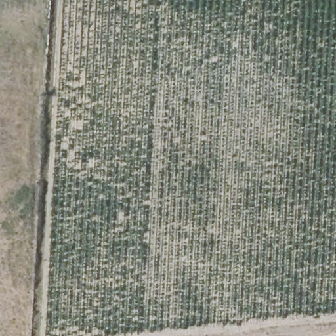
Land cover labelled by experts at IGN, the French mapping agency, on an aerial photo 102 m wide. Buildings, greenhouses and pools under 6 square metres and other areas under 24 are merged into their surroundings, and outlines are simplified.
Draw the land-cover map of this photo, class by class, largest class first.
<instances>
[{"label":"vineyard","instance_id":"1","mask_svg":"<svg viewBox=\"0 0 336 336\"><path fill-rule=\"evenodd\" d=\"M55 94L51 97L50 104L47 180L45 238L42 245V297L38 302L41 323L38 336H114L122 333L155 332L165 328L186 329L193 325L201 327L211 323L241 325L252 319L287 318L294 314L319 318L320 314L336 312V0H56L54 60L51 73Z\"/></svg>","mask_w":336,"mask_h":336},{"label":"herbaceous vegetation","instance_id":"2","mask_svg":"<svg viewBox=\"0 0 336 336\"><path fill-rule=\"evenodd\" d=\"M56 0H0V336H30L41 194L39 180H47L50 104L51 97L55 94L51 73L54 60Z\"/></svg>","mask_w":336,"mask_h":336},{"label":"plowed land","instance_id":"3","mask_svg":"<svg viewBox=\"0 0 336 336\"><path fill-rule=\"evenodd\" d=\"M114 336H336V312L320 314L319 318L294 314L287 318L252 319L241 325L211 323L201 327L193 325L186 329L165 328L155 332L122 333Z\"/></svg>","mask_w":336,"mask_h":336},{"label":"brushwood","instance_id":"4","mask_svg":"<svg viewBox=\"0 0 336 336\"><path fill-rule=\"evenodd\" d=\"M41 194L30 336H38L41 323L38 302L42 297V245L45 238L47 180H39Z\"/></svg>","mask_w":336,"mask_h":336}]
</instances>
